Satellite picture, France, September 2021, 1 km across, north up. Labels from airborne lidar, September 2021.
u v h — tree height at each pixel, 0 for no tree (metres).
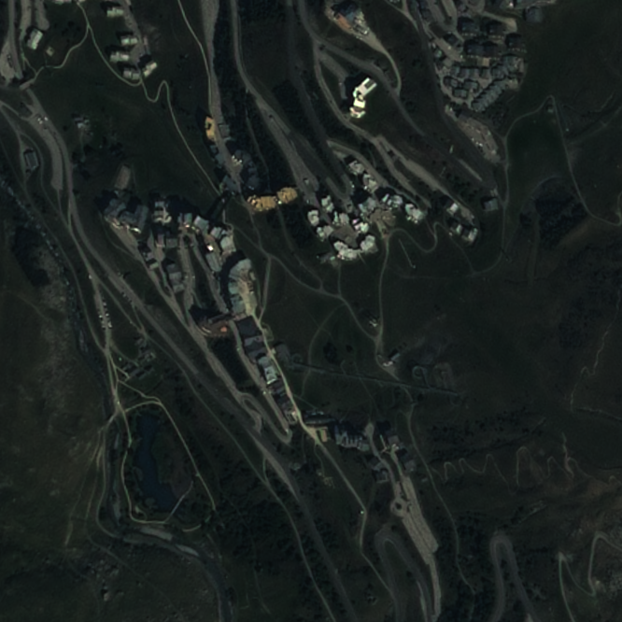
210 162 0
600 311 0
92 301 0
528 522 0
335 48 0
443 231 0
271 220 10
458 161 0
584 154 0
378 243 0
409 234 0
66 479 0
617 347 0
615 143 0
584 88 0
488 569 8
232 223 0
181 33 0
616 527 0
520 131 0
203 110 0
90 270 0
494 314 0
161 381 0
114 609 0
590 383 0
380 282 0
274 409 0
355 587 0
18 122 0
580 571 0
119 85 0
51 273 0
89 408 0
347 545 0
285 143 0
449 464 0
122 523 8
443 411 0
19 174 0
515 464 0
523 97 0
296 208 9
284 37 0
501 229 0
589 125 0
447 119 0
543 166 0
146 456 0
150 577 0
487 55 0
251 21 16
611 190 0
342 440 0
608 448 0
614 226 0
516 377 0
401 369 0
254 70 0
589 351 0
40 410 0
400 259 0
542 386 0
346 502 0
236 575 0
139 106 0
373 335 0
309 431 0
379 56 0
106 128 0
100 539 0
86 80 0
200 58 0
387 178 7
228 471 6
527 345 0
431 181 0
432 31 0
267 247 0
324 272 0
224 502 6
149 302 0
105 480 0
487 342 0
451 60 0
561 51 0
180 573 0
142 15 0
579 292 0
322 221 0
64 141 0
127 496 0
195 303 0
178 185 0
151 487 0
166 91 0
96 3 0
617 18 0
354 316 0
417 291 0
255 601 0
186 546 0
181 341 0
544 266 0
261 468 0
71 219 0
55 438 0
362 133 0
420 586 0
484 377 0
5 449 0
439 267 0
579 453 0
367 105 0
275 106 0
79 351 0
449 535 7
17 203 12
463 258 0
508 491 0
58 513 0
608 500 0
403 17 0
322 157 7
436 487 0
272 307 0
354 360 0
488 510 0
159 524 0
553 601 0
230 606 0
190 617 0
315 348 0
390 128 0
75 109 0
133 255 0
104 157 0
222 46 9
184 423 0
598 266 0
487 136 0
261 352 0
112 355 0
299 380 0
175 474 0
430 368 0
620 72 0
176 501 0
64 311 0
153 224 0
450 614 7
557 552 0
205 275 0
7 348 0
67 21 0
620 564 0
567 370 0
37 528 0
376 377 0
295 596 0
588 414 0
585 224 0
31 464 0
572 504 0
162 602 0
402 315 0
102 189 0
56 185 0
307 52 0
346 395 0
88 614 0
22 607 0
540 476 0
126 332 0
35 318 0
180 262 0
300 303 0
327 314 0
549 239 11
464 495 0
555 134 0
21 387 0
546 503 0
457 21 0
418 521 0
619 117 0
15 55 0
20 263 7
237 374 6
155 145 0
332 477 0
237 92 9
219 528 11
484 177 0
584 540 0
